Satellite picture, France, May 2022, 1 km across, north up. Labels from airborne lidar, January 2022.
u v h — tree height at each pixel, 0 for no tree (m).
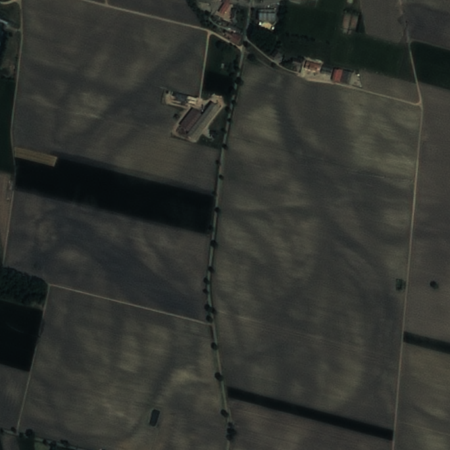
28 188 0
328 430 0
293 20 0
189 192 0
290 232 0
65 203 0
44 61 0
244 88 0
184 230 0
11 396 0
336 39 0
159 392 0
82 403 0
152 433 0
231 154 0
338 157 0
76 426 0
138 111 0
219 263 0
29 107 0
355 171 0
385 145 0
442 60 0
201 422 0
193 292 0
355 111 0
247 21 0
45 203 0
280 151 0
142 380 0
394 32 0
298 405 0
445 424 0
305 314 0
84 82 0
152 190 0
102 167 0
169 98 0
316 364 0
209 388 0
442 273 0
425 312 0
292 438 0
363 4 0
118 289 0
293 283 0
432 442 0
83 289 0
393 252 0
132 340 0
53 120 0
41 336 0
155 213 0
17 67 0
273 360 0
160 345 0
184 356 0
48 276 0
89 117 0
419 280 0
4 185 0
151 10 0
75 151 0
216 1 0
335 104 0
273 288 0
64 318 0
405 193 0
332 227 0
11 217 0
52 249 0
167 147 0
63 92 0
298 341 0
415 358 0
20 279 21
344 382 0
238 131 0
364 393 0
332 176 0
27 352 0
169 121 0
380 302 0
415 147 0
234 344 0
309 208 0
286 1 9
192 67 0
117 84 0
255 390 0
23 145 0
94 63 0
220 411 0
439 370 0
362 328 0
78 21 0
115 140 0
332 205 0
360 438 0
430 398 0
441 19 0
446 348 0
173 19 0
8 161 0
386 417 0
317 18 0
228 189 0
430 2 0
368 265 0
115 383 0
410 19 0
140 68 0
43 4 0
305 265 0
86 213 0
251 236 0
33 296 13
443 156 0
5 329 0
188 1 14
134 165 0
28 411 0
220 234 0
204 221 0
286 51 0
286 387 0
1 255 0
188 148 0
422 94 0
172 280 0
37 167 0
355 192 0
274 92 0
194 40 0
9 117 0
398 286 0
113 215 0
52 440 0
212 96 0
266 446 0
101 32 0
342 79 0
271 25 0
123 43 0
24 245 0
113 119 0
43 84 0
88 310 0
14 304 0
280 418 0
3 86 0
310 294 0
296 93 0
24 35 0
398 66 0
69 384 0
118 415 0
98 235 0
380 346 0
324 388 0
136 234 0
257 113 0
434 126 0
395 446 0
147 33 0
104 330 0
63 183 0
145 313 0
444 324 0
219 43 12
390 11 0
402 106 0
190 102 0
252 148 0
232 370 0
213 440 0
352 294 0
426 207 0
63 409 0
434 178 0
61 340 0
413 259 0
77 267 0
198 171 0
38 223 0
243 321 0
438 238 0
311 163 0
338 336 0
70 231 0
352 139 0
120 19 0
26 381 0
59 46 0
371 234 0
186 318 0
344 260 0
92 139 0
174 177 0
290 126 0
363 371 0
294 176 0
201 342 0
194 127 0
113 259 0
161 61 0
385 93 0
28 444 0
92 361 0
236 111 0
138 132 0
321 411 0
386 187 0
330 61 0
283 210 0
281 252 0
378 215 0
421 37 0
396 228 0
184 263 0
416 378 0
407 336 0
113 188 0
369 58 0
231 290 0
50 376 0
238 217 0
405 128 0
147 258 0
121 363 0
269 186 0
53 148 0
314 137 0
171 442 0
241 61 0
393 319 0
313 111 0
